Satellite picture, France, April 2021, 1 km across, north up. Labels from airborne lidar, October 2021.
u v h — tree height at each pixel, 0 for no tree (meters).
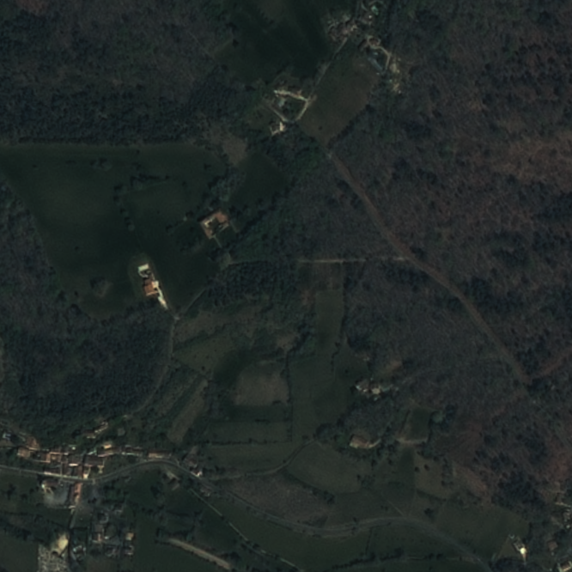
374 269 12
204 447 8
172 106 19
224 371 0
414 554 0
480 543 0
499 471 23
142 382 12
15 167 0
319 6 0
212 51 10
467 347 19
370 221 17
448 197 8
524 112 14
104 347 22
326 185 22
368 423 23
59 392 19
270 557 7
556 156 14
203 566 0
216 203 9
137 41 19
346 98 0
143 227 0
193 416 0
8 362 21
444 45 17
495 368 13
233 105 18
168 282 0
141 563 0
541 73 17
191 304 0
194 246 13
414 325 18
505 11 22
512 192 9
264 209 10
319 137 0
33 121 19
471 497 17
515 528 0
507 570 25
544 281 15
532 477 9
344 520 0
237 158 0
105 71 8
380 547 0
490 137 18
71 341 21
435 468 0
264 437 0
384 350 17
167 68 20
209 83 21
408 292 15
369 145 22
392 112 9
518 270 24
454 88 16
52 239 0
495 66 9
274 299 17
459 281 18
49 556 0
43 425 7
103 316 0
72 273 0
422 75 17
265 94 7
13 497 16
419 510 0
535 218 9
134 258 0
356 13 11
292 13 0
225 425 0
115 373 20
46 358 27
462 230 11
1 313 21
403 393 20
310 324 13
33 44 22
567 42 13
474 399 11
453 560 0
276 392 0
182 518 12
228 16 16
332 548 0
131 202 0
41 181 0
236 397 0
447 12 19
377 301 18
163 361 17
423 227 12
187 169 0
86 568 16
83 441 13
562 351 12
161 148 0
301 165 22
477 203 11
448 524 0
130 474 9
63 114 20
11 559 0
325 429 14
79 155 0
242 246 18
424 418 0
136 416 10
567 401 18
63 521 0
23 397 7
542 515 20
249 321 10
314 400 0
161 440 12
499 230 14
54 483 0
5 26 9
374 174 14
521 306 17
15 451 8
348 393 0
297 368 0
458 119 11
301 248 15
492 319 13
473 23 22
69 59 20
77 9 17
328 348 0
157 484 8
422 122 12
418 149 15
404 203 17
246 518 0
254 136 10
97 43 17
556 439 10
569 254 15
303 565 0
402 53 16
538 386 7
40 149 0
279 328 15
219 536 0
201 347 0
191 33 16
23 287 22
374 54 8
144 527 0
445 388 16
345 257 16
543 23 21
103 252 0
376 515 0
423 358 17
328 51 0
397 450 15
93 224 0
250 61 0
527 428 10
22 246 20
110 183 0
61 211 0
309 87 8
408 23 19
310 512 0
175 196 0
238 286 17
